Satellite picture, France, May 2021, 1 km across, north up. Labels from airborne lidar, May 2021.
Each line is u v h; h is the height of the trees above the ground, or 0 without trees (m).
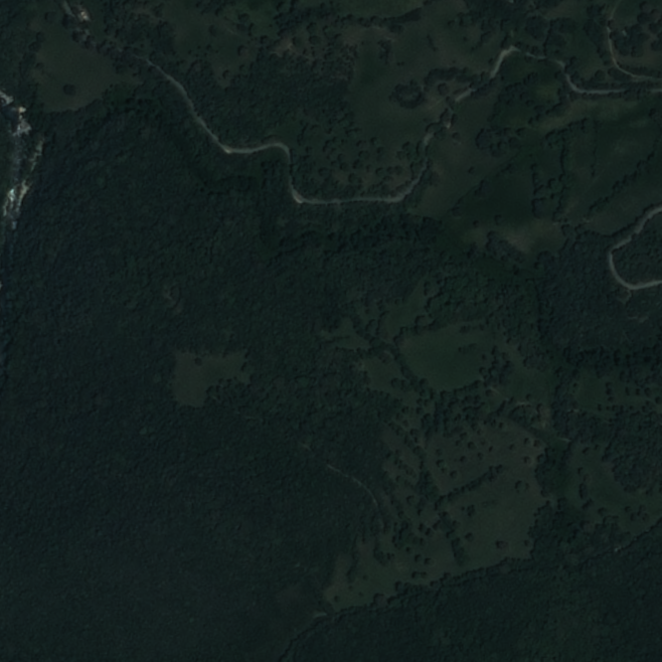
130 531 7
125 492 7
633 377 12
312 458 12
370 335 7
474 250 15
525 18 8
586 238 9
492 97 0
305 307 12
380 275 12
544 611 12
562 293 10
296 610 0
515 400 9
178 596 5
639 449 10
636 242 7
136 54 13
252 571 8
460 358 0
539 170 8
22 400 15
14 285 9
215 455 7
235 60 0
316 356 12
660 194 0
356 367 9
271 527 8
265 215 16
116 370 10
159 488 8
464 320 7
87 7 5
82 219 11
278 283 12
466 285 11
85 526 8
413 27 0
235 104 8
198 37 0
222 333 8
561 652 13
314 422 10
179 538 6
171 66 7
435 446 0
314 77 7
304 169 8
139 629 7
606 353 22
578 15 0
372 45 0
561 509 10
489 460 0
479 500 0
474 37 0
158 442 7
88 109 9
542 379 0
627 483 8
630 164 0
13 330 15
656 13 12
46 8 0
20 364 11
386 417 13
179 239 6
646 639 7
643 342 11
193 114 8
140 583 6
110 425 9
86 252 7
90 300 9
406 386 11
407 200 11
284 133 0
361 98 0
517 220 0
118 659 7
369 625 9
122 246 9
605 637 14
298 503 6
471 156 0
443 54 0
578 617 14
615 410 9
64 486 8
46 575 7
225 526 10
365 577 7
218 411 8
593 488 0
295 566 7
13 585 5
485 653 10
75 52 0
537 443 9
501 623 10
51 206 14
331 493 6
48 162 16
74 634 8
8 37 9
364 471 6
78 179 15
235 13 0
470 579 8
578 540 14
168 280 11
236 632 6
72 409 11
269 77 7
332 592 0
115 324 9
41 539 9
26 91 8
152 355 6
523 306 16
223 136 9
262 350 11
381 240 19
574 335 8
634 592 11
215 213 10
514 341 10
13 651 13
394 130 0
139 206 10
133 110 14
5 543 10
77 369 15
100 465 10
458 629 9
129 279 7
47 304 8
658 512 0
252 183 16
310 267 13
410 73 0
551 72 0
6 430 13
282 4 11
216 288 7
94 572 6
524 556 0
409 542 13
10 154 14
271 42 7
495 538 0
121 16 10
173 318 6
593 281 7
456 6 0
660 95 7
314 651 9
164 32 8
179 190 10
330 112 9
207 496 8
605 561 7
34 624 8
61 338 11
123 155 14
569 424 12
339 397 14
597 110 0
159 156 7
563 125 0
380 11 0
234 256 8
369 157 10
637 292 7
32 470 9
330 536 7
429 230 20
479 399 11
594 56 0
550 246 0
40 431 11
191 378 0
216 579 6
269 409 11
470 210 0
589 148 0
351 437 8
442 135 11
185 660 6
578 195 0
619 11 0
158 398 7
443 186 0
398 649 9
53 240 11
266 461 7
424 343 0
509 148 13
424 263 10
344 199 11
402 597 10
